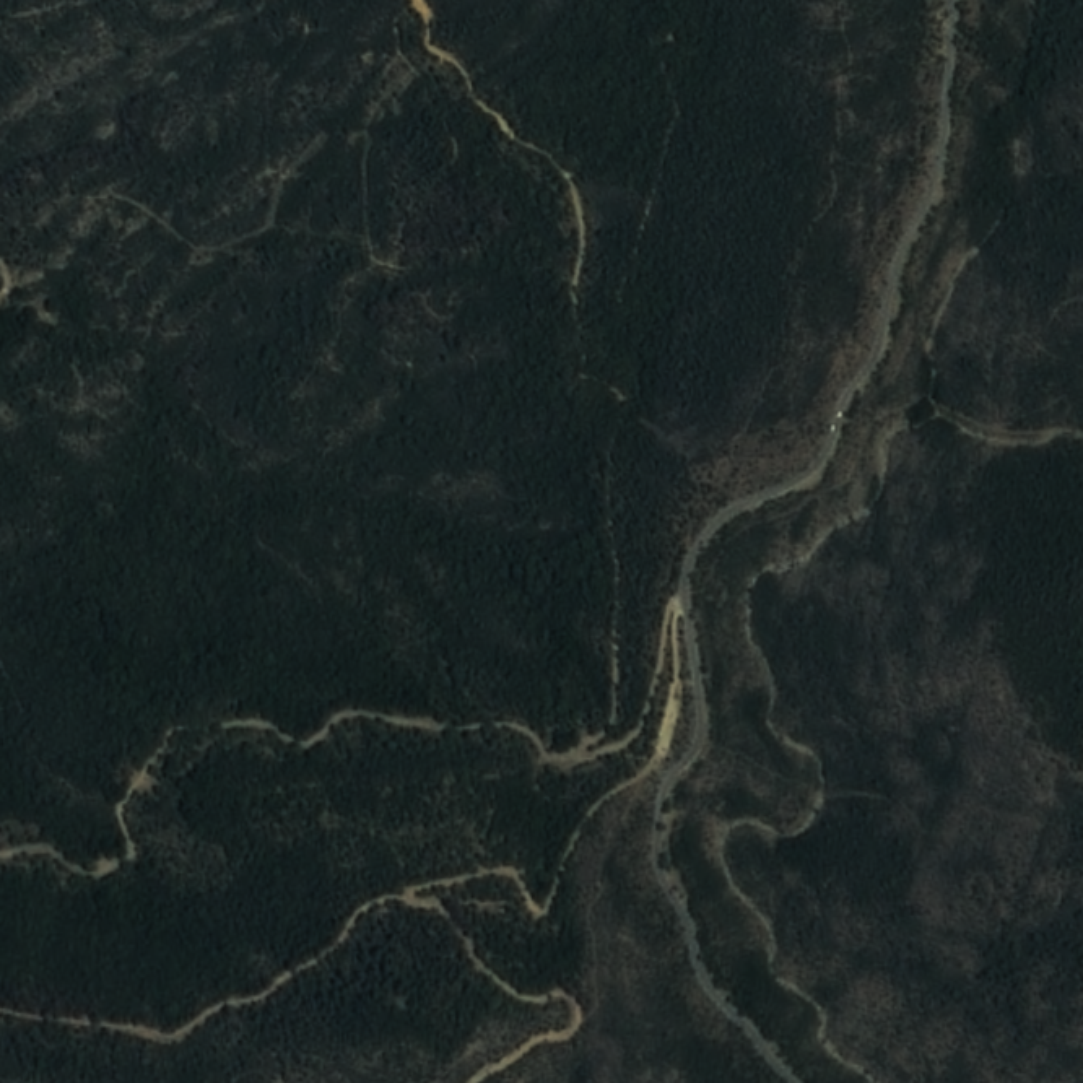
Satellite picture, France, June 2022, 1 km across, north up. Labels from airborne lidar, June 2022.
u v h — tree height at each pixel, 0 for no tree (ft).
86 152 28
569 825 24
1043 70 24
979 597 21
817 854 18
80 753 25
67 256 0
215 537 34
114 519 26
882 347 0
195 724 40
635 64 26
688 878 24
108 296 30
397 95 28
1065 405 22
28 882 29
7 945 26
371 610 19
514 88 19
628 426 33
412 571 25
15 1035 28
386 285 32
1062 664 24
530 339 33
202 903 23
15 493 22
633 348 39
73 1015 38
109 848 35
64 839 43
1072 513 19
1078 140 27
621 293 28
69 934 21
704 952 23
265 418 24
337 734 31
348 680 18
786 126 20
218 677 41
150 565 21
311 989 22
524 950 26
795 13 20
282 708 38
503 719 27
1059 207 24
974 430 0
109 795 29
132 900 22
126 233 24
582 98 23
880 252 20
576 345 38
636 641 23
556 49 17
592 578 45
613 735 26
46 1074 21
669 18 35
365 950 35
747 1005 26
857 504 0
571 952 32
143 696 17
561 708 28
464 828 25
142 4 19
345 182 20
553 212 28
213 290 20
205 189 27
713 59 33
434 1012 34
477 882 30
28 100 0
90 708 18
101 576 41
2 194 46
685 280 25
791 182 22
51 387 24
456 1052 25
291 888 26
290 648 19
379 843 18
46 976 18
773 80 20
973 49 30
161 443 19
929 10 22
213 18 26
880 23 19
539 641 27
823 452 0
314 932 38
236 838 27
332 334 22
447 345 25
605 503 35
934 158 0
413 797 19
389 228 21
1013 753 0
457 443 31
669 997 19
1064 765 0
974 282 0
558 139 29
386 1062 21
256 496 26
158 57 0
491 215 46
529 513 23
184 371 45
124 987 21
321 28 30
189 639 18
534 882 27
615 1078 0
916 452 0
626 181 25
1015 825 0
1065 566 41
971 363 25
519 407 29
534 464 37
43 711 19
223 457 23
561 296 28
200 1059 23
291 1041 21
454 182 49
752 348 19
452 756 27
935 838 0
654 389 21
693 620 21
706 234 24
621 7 36
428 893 23
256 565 27
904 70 18
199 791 30
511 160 23
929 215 20
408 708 54
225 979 32
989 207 28
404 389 28
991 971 37
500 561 35
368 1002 45
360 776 28
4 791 32
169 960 26
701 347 21
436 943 32
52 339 24
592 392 37
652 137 24
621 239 22
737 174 22
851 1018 0
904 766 0
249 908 26
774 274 23
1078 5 28
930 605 0
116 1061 28
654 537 25
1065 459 26
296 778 21
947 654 0
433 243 33
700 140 23
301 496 35
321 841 22
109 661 46
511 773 27
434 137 28
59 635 44
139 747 31
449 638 22
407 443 44
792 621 22
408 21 21
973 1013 26
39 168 48
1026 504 23
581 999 46
